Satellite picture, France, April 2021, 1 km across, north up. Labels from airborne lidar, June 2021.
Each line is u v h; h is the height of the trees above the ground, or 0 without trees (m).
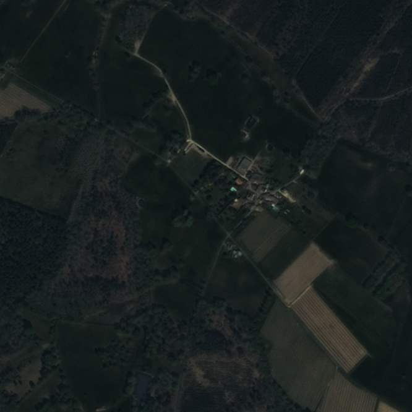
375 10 12
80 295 14
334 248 0
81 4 0
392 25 7
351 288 0
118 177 22
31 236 17
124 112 0
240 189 12
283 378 0
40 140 0
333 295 0
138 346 0
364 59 9
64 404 17
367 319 0
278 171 0
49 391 0
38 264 18
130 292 12
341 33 12
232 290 0
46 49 0
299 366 0
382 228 0
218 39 0
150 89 0
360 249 0
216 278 0
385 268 15
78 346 0
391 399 0
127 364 8
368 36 12
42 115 15
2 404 16
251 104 0
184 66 0
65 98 0
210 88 0
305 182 7
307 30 14
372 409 0
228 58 0
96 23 0
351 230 0
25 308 18
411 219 0
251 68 0
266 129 0
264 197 0
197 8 16
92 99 0
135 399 15
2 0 11
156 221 0
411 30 6
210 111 0
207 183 12
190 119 0
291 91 0
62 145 17
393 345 0
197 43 0
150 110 16
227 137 0
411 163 10
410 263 0
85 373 0
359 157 0
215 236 0
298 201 0
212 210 7
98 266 7
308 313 0
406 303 0
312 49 15
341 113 14
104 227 8
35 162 0
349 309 0
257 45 9
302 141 0
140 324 16
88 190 26
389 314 0
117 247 23
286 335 0
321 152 18
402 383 0
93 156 28
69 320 13
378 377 0
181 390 6
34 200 0
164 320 11
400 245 0
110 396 0
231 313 21
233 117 0
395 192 0
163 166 0
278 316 0
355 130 12
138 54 0
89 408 0
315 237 0
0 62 0
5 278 18
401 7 9
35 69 0
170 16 0
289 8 13
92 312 14
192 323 14
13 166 0
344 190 0
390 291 16
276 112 0
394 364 0
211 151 0
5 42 0
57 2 0
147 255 16
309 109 0
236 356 0
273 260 0
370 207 0
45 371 13
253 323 20
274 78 0
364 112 13
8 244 16
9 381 16
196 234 0
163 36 0
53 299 11
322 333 0
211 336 18
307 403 0
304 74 14
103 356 14
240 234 0
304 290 0
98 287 18
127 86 0
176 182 0
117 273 6
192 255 0
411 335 0
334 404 0
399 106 0
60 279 15
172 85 0
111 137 19
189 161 0
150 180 0
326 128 15
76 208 26
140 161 0
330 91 12
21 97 0
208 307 12
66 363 0
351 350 0
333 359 0
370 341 0
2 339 20
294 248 0
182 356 14
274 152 0
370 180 0
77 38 0
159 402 14
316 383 0
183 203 0
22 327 15
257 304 0
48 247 19
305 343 0
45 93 0
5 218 19
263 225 0
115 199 21
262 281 0
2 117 0
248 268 0
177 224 15
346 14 13
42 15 0
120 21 0
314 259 0
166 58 0
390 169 8
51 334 9
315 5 15
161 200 0
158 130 0
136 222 18
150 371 0
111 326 0
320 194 0
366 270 0
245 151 0
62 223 19
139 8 22
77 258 13
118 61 0
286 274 0
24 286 17
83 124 18
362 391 0
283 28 18
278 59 7
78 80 0
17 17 0
